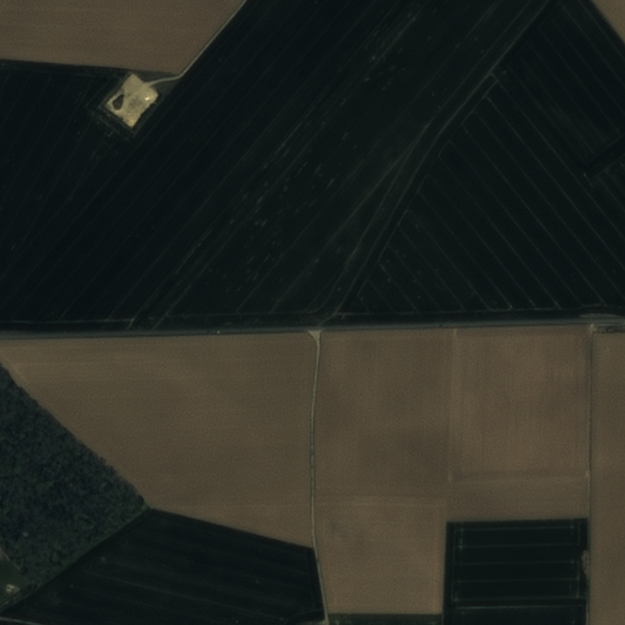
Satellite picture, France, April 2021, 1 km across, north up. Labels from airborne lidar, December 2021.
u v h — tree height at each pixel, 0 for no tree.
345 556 0
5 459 23
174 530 0
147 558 0
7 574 0
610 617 0
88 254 0
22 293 0
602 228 0
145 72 0
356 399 0
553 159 0
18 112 0
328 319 0
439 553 0
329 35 0
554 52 0
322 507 0
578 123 0
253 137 0
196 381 0
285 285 0
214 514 0
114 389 0
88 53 0
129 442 0
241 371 0
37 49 0
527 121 0
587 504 0
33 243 0
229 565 0
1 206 0
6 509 27
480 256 0
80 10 0
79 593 0
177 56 0
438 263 0
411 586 0
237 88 0
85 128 0
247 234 0
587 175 0
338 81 0
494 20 0
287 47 0
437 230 0
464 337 0
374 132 0
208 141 0
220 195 0
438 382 0
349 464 0
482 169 0
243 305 0
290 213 0
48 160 0
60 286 0
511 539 0
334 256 0
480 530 0
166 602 0
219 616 0
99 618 0
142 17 0
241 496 0
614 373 0
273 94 0
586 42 0
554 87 0
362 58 0
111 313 0
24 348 0
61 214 0
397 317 0
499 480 0
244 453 0
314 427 0
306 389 0
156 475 0
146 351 0
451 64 0
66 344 0
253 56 0
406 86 0
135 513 14
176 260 0
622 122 0
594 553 0
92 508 29
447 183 0
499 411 0
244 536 0
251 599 0
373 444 0
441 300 0
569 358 0
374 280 0
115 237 0
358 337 0
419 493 0
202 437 0
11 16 0
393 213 0
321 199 0
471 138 0
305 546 0
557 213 0
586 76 0
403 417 0
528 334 0
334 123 0
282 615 0
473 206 0
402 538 0
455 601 0
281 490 0
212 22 0
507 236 0
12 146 0
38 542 26
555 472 0
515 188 0
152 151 0
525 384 0
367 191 0
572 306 0
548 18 0
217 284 0
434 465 0
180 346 0
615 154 0
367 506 0
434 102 0
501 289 0
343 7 0
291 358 0
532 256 0
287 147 0
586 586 0
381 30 0
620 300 0
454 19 0
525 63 0
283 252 0
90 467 24
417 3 0
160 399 0
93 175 0
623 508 0
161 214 0
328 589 0
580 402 0
